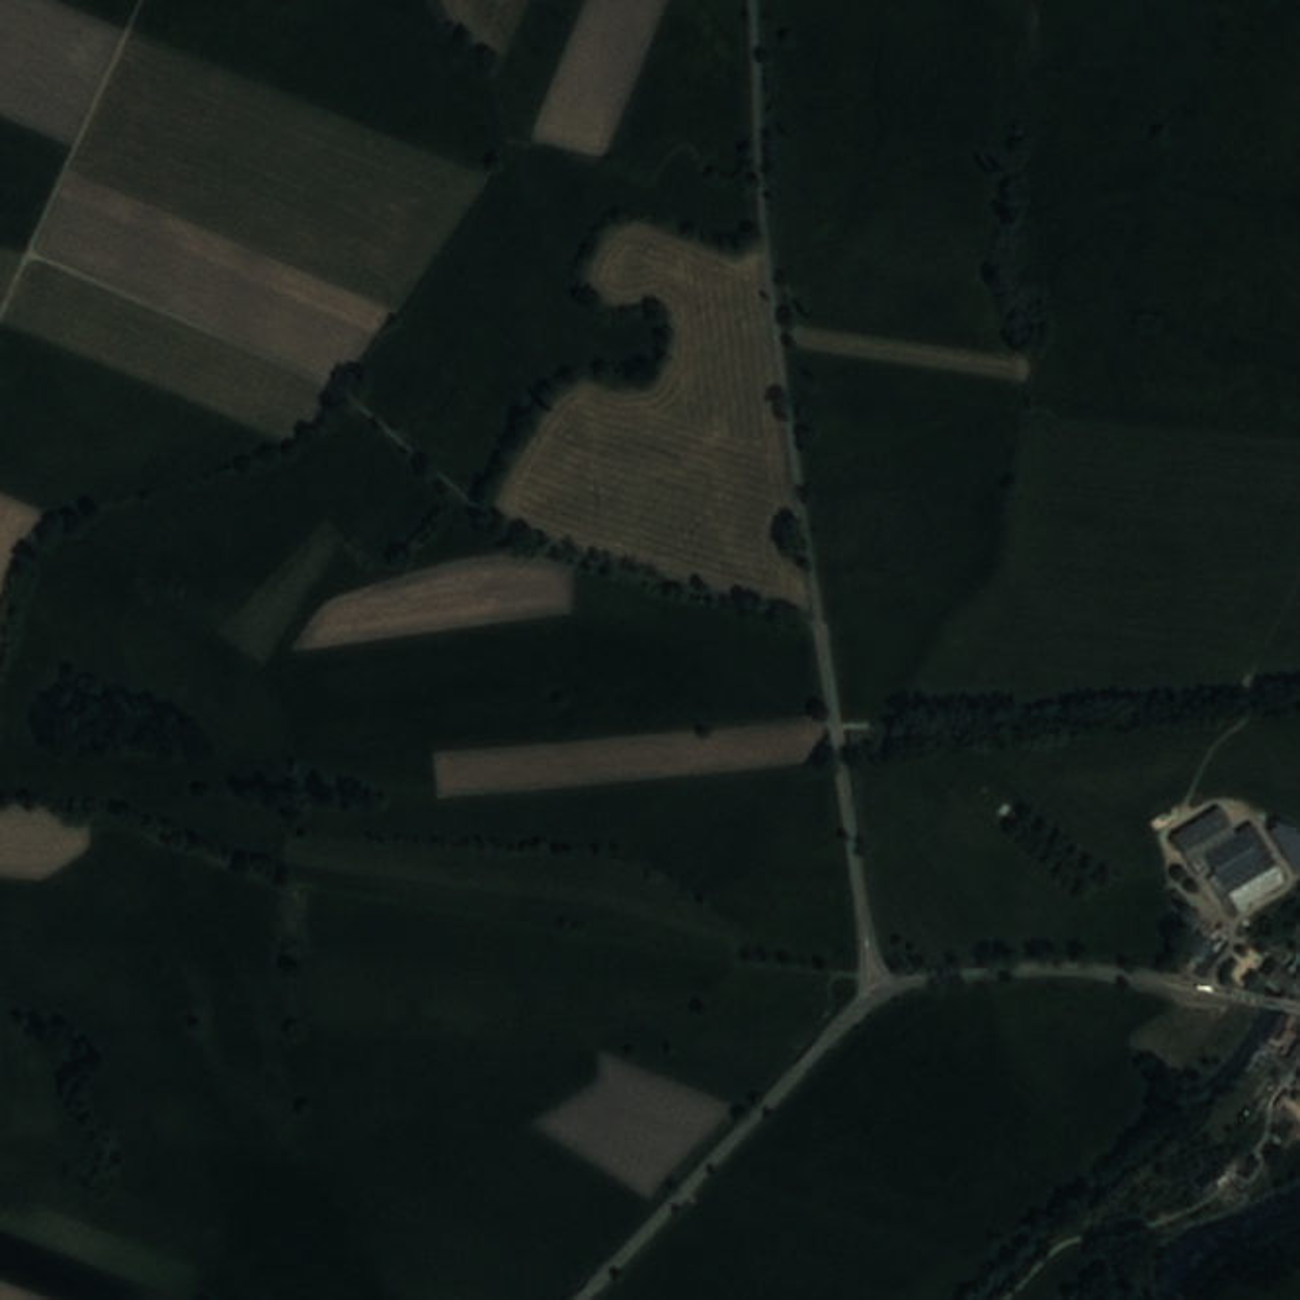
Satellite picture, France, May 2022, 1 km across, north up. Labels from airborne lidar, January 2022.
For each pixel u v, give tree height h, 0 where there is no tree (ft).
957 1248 0
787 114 0
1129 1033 0
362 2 0
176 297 0
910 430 0
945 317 0
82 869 0
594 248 22
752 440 0
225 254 0
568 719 0
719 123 0
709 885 0
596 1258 0
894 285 0
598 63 0
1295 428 0
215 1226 0
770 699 0
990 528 0
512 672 0
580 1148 0
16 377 0
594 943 0
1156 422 0
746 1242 0
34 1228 0
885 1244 0
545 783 0
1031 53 0
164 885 0
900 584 0
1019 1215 0
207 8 0
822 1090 0
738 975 0
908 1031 0
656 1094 0
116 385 0
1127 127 0
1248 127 0
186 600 0
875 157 0
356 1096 0
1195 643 0
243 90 0
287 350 0
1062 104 0
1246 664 0
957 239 0
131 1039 0
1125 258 0
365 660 0
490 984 0
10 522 0
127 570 0
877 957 0
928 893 0
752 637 0
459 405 0
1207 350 0
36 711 0
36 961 0
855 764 43
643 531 0
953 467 0
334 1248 0
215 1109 0
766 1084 0
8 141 0
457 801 0
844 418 0
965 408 0
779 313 26
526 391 0
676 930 0
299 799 62
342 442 0
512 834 0
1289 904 19
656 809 0
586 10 0
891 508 0
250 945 0
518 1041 0
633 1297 0
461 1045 0
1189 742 0
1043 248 0
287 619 0
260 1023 0
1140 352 0
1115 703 53
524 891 0
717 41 0
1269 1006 0
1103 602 0
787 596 0
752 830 0
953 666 0
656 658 0
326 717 0
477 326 0
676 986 0
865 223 0
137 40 0
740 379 0
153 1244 0
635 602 0
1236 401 0
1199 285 0
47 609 0
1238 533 0
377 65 0
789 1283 0
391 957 0
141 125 0
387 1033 0
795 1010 0
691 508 0
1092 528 0
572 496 0
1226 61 0
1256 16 0
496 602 0
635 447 0
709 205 0
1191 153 0
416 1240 0
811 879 0
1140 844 0
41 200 0
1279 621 0
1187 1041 0
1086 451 0
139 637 0
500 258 0
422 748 0
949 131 0
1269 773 0
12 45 0
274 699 0
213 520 0
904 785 0
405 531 0
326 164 0
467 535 0
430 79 0
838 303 0
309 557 0
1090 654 0
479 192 0
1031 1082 0
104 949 0
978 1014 0
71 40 0
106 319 0
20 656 0
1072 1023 0
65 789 0
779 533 50
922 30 0
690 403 0
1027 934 0
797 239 0
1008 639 0
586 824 0
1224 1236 46
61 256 0
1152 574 0
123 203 0
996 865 0
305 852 0
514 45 0
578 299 52
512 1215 0
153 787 0
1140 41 0
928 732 59
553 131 0
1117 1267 49
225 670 0
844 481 0
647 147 0
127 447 0
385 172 0
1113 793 0
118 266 0
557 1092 0
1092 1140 0
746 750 0
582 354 0
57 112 0
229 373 0
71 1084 35
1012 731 37
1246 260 0
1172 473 0
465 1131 0
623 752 0
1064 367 0
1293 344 0
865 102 0
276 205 0
